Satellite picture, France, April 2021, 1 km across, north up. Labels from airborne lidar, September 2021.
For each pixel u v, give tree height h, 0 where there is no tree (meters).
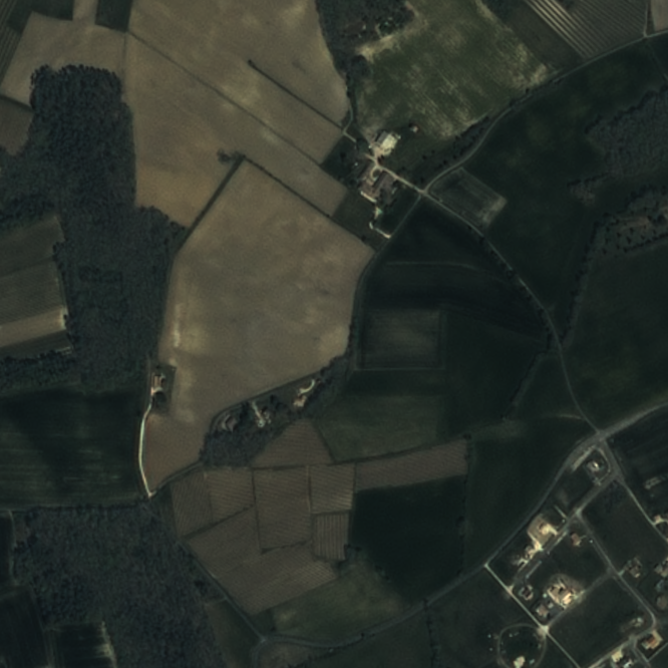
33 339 0
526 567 0
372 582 0
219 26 0
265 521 0
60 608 13
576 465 0
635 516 0
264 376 0
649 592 0
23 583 12
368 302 0
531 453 0
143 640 20
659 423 0
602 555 0
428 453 0
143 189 0
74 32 0
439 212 0
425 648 0
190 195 0
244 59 0
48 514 15
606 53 0
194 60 0
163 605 18
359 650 0
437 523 0
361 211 0
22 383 18
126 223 17
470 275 0
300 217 0
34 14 0
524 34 0
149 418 0
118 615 8
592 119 0
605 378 0
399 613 0
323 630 0
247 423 14
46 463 0
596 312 0
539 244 0
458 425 0
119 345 19
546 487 0
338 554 0
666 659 0
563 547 0
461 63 0
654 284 0
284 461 0
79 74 19
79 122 26
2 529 0
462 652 0
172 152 0
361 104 0
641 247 8
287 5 0
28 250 0
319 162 0
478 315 0
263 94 0
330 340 0
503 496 0
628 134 18
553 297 0
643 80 0
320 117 0
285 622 0
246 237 0
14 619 0
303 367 0
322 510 0
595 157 0
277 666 0
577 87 0
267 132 0
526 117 0
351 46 15
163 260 21
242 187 0
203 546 0
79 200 19
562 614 0
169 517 0
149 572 22
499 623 0
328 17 16
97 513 14
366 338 0
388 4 19
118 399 0
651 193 18
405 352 0
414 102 0
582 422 0
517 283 17
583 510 0
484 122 8
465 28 0
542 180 0
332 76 0
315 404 19
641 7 0
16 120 0
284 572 0
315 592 0
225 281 0
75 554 16
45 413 0
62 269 19
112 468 0
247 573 0
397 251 0
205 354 0
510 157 0
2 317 0
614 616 0
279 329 0
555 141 0
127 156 18
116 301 15
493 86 0
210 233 0
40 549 18
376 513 0
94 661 0
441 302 0
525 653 0
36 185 22
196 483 0
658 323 0
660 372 0
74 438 0
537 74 0
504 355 0
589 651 0
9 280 0
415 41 0
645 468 0
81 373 12
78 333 13
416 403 0
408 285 0
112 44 0
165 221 15
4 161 19
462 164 0
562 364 0
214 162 0
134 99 0
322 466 0
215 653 20
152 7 0
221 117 0
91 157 24
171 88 0
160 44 0
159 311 15
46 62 0
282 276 0
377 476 0
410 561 0
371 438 0
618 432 0
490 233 0
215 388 0
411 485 0
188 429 0
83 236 18
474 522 0
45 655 0
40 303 0
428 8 0
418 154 0
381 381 0
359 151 8
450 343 0
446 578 0
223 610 0
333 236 0
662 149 20
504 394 0
